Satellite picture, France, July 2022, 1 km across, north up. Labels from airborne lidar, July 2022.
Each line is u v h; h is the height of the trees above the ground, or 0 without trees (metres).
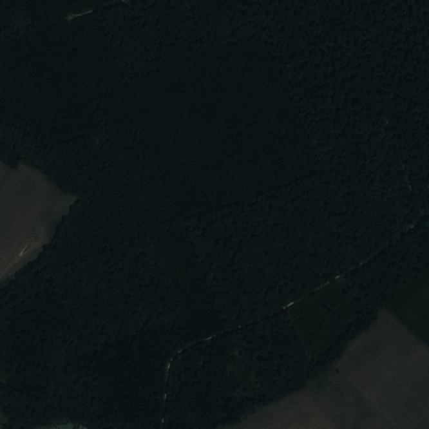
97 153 18
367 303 18
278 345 20
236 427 0
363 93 21
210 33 29
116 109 9
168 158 11
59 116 12
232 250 19
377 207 19
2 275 0
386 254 25
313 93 15
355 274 19
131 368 17
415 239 22
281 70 19
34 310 24
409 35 26
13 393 27
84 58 8
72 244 15
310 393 0
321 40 31
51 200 0
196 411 15
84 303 19
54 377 22
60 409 19
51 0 11
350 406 0
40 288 22
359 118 19
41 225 0
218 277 23
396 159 24
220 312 22
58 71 11
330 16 25
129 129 15
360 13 26
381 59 25
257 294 21
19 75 11
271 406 0
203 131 10
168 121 12
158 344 11
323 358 10
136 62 23
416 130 24
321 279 15
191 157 11
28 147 20
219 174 11
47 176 17
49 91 10
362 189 25
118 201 17
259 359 24
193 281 8
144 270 26
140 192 16
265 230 21
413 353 0
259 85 12
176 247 7
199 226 25
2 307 19
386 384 0
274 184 10
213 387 14
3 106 14
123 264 21
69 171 25
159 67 14
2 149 12
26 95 10
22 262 0
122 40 21
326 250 22
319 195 21
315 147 19
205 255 13
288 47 24
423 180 25
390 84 26
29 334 24
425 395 0
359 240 21
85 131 12
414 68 28
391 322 0
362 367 0
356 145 24
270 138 10
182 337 9
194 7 22
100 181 18
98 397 10
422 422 0
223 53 13
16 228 0
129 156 17
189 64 13
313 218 20
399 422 0
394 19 27
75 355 14
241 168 13
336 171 21
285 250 25
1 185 0
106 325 28
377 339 0
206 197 12
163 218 16
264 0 22
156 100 14
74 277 17
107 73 10
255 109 12
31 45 8
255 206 20
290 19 26
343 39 26
